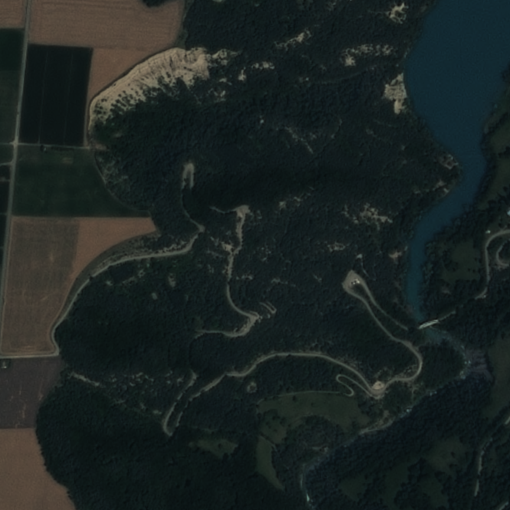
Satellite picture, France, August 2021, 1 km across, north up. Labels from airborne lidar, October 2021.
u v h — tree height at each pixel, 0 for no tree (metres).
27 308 0
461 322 17
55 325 0
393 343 11
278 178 22
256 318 0
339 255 7
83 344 18
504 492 15
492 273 10
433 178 9
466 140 0
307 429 7
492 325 14
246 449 20
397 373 9
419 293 0
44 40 0
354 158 16
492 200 0
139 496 21
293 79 9
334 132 12
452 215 0
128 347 10
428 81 0
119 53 0
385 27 11
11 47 0
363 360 8
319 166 11
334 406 0
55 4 0
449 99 0
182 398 10
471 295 15
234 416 19
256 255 8
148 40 0
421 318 0
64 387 10
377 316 10
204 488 29
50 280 0
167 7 0
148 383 11
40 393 0
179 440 20
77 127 0
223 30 17
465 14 0
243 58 14
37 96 0
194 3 8
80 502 9
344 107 17
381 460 18
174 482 17
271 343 14
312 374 13
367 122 11
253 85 17
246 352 10
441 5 0
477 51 0
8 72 0
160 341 18
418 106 0
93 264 0
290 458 15
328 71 12
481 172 0
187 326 12
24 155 0
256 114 7
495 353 0
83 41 0
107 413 13
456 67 0
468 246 0
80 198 0
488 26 0
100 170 8
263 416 7
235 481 25
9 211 0
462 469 6
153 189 7
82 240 0
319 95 14
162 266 9
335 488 9
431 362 9
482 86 0
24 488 0
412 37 13
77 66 0
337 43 13
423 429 15
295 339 10
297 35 12
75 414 26
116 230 0
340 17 13
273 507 22
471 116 0
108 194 0
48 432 13
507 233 0
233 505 23
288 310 10
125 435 26
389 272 13
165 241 10
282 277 9
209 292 10
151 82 0
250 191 22
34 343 0
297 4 12
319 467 8
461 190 0
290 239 12
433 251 13
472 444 10
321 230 12
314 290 10
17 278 0
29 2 0
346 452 17
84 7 0
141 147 11
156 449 23
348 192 17
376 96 10
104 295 12
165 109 19
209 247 8
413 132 13
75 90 0
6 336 0
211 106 8
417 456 15
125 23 0
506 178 0
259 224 8
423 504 14
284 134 10
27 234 0
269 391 10
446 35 0
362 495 8
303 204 10
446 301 13
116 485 18
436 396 14
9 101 0
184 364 20
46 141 0
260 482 29
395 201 15
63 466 18
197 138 10
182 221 21
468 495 17
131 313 17
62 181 0
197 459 23
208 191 23
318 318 11
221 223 10
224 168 9
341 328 17
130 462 14
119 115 14
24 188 0
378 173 13
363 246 11
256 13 18
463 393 17
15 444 0
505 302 17
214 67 12
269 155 13
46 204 0
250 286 13
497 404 0
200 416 14
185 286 13
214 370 17
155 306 10
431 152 12
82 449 20
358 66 11
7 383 0
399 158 10
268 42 15
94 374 13
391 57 13
